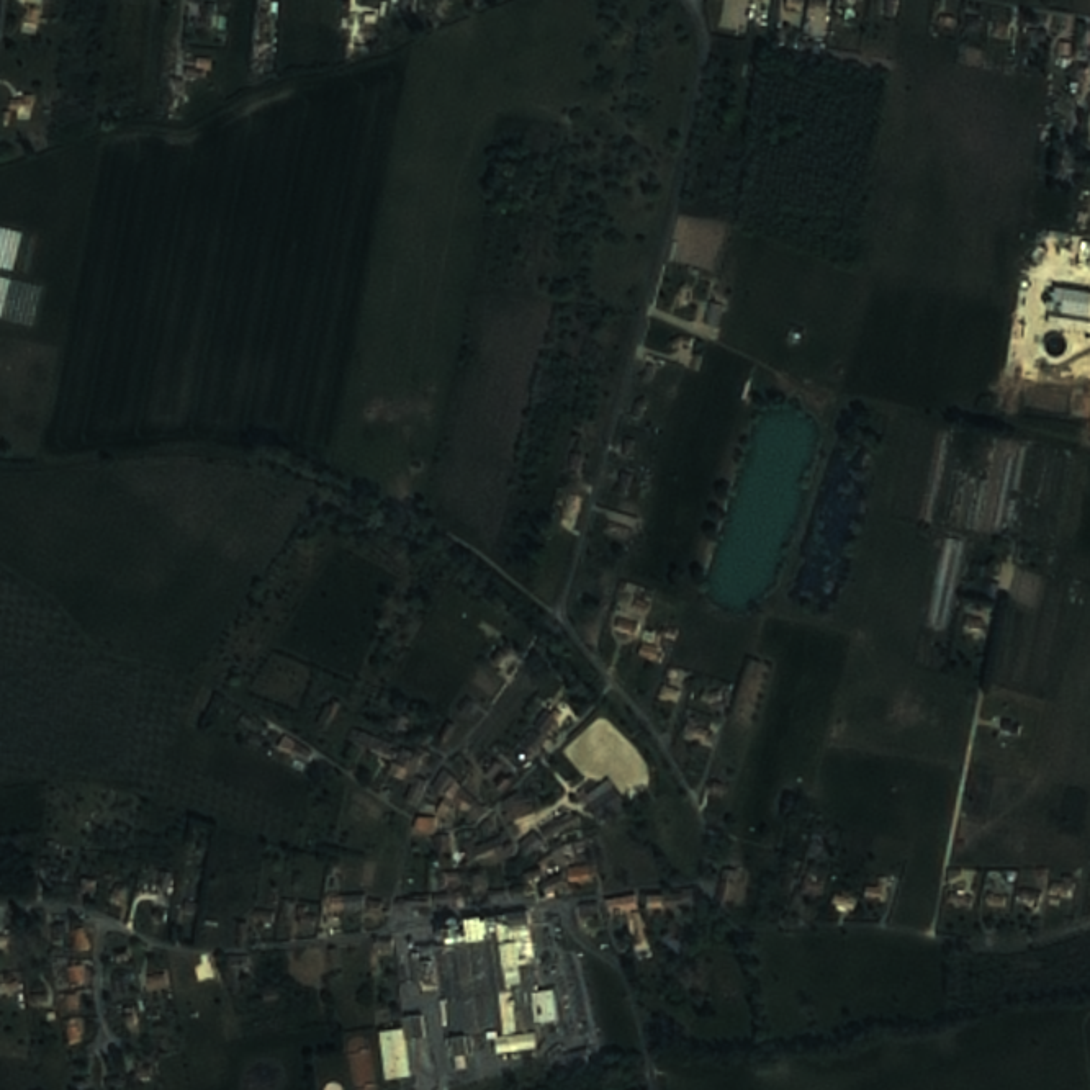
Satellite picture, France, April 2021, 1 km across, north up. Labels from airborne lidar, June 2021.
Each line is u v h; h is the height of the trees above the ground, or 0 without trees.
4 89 0
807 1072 0
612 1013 0
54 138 6
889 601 0
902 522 0
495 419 0
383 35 7
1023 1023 0
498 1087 0
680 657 0
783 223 15
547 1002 0
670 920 8
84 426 0
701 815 0
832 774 0
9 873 17
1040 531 0
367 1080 0
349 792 0
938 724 0
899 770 0
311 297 0
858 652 0
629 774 0
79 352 0
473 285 0
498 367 0
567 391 9
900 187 0
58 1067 0
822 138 22
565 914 0
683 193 7
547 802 8
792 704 0
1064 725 0
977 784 0
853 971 0
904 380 0
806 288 0
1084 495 0
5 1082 0
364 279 0
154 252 0
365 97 0
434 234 0
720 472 0
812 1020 12
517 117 0
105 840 9
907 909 0
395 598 17
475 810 0
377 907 0
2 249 0
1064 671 0
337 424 0
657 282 0
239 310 0
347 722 0
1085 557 0
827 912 7
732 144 0
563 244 7
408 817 0
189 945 7
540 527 13
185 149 0
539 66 0
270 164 0
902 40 0
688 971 18
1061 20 0
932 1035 17
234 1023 0
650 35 8
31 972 13
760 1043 10
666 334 0
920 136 0
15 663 7
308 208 0
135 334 0
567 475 7
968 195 0
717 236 0
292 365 0
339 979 6
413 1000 0
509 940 0
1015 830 0
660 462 0
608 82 6
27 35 0
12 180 0
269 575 8
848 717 0
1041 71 7
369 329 0
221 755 0
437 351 0
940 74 0
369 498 22
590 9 0
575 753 0
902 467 0
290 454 25
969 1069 0
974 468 0
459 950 0
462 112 0
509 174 15
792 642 0
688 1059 28
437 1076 0
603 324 8
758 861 0
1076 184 7
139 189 0
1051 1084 0
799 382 0
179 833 7
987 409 0
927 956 0
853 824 0
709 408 0
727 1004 0
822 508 0
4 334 0
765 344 0
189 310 0
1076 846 0
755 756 0
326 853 7
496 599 27
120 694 8
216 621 0
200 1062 0
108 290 0
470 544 0
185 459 0
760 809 0
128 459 0
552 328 9
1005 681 0
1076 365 0
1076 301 0
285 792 0
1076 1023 0
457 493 0
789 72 18
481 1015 0
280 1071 0
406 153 0
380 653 9
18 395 0
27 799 0
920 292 0
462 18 0
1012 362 0
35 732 8
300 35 0
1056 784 0
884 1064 0
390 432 0
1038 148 0
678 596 0
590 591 0
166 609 0
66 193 0
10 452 17
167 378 0
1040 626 0
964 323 0
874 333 0
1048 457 0
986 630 9
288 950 0
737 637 0
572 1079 17
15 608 9
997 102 0
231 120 0
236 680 12
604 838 0
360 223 0
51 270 0
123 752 12
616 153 7
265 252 0
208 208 0
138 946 12
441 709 0
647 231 0
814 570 0
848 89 15
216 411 0
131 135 0
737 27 0
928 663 0
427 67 0
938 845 0
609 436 0
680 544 0
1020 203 0
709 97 6
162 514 0
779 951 0
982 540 0
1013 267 0
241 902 0
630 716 9
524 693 0
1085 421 0
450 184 0
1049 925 0
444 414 0
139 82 0
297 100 0
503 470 0
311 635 0
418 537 18
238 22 0
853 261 13
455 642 0
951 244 0
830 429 0
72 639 9
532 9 0
